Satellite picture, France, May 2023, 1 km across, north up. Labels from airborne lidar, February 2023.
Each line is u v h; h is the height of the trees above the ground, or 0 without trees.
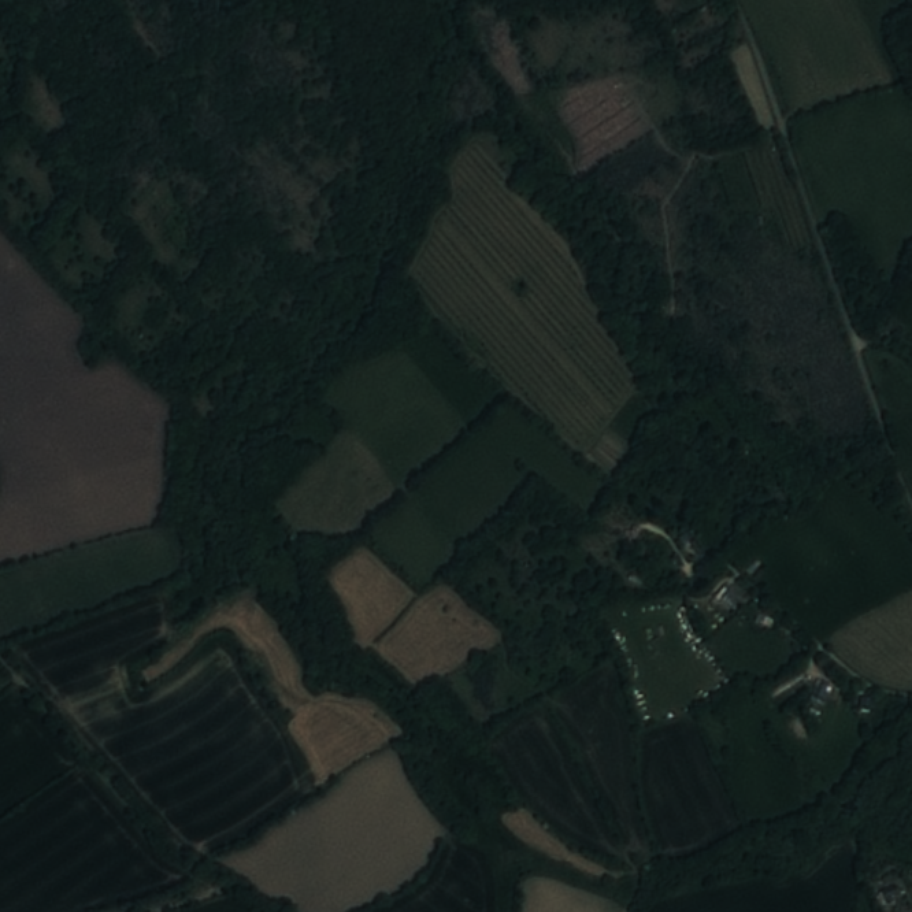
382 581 0
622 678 8
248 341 15
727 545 13
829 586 0
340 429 8
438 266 0
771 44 0
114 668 0
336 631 19
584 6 11
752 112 10
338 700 0
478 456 0
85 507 0
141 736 0
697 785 0
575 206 18
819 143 0
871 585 0
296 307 12
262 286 12
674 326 14
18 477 0
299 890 0
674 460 23
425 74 14
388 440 0
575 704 0
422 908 0
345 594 0
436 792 9
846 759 0
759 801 0
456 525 0
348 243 18
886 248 0
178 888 12
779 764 0
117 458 0
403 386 0
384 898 14
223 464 8
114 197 12
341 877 0
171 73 10
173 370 10
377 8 23
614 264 14
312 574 17
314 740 0
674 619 0
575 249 10
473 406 0
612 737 0
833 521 0
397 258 12
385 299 16
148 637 0
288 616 19
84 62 12
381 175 19
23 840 0
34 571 0
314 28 10
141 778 0
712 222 10
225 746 0
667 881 6
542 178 20
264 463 15
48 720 14
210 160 8
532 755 0
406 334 12
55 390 0
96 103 13
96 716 0
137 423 0
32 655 0
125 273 14
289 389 16
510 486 0
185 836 0
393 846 0
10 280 0
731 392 17
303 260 19
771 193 0
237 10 22
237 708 0
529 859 0
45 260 12
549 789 0
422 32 19
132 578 0
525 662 6
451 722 17
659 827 0
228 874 17
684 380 18
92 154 13
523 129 13
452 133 9
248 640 0
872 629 0
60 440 0
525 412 10
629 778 0
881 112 0
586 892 0
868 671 0
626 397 0
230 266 10
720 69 8
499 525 14
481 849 0
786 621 12
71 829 0
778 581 0
